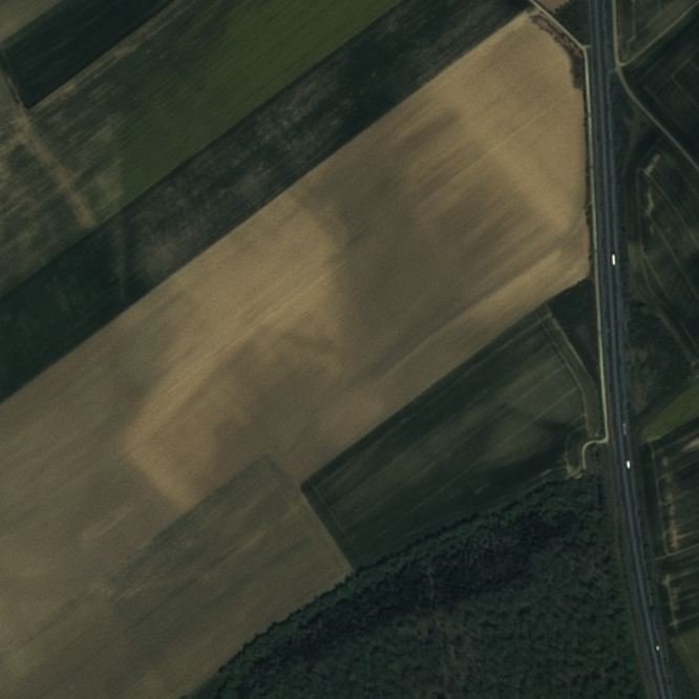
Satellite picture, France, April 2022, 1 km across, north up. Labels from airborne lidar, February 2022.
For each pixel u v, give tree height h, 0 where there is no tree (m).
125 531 0
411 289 0
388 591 13
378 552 0
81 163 0
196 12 0
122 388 0
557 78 0
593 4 0
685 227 0
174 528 0
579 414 0
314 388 0
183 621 0
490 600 21
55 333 0
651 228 0
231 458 0
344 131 0
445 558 12
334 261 0
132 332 0
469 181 0
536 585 22
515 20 0
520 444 0
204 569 0
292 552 0
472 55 0
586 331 0
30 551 0
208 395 0
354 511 0
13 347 0
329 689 20
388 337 0
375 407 0
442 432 0
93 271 0
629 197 0
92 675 0
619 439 0
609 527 18
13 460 0
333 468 0
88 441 0
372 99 0
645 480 0
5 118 0
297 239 0
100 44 0
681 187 0
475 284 0
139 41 0
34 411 0
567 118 0
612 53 0
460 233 0
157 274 0
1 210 0
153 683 0
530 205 0
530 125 0
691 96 0
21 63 0
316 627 15
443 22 0
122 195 0
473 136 0
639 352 0
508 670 22
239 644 0
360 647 22
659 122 0
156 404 0
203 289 0
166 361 0
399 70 0
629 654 21
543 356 0
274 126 0
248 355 0
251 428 0
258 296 0
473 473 0
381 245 0
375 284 0
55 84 0
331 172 0
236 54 0
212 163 0
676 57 0
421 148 0
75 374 0
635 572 0
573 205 0
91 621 0
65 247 0
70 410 0
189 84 0
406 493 0
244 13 0
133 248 0
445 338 0
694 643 0
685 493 0
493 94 0
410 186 0
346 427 0
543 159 0
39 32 0
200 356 0
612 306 0
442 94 0
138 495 0
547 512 14
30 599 0
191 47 0
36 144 0
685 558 0
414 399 0
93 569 0
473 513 0
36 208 0
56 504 0
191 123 0
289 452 0
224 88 0
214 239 0
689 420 0
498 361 0
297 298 0
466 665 23
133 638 0
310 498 0
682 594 0
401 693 20
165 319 0
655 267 0
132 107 0
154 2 0
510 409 0
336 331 0
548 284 0
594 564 21
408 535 0
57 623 0
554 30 0
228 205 0
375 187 0
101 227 0
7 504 0
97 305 0
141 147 0
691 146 0
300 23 0
